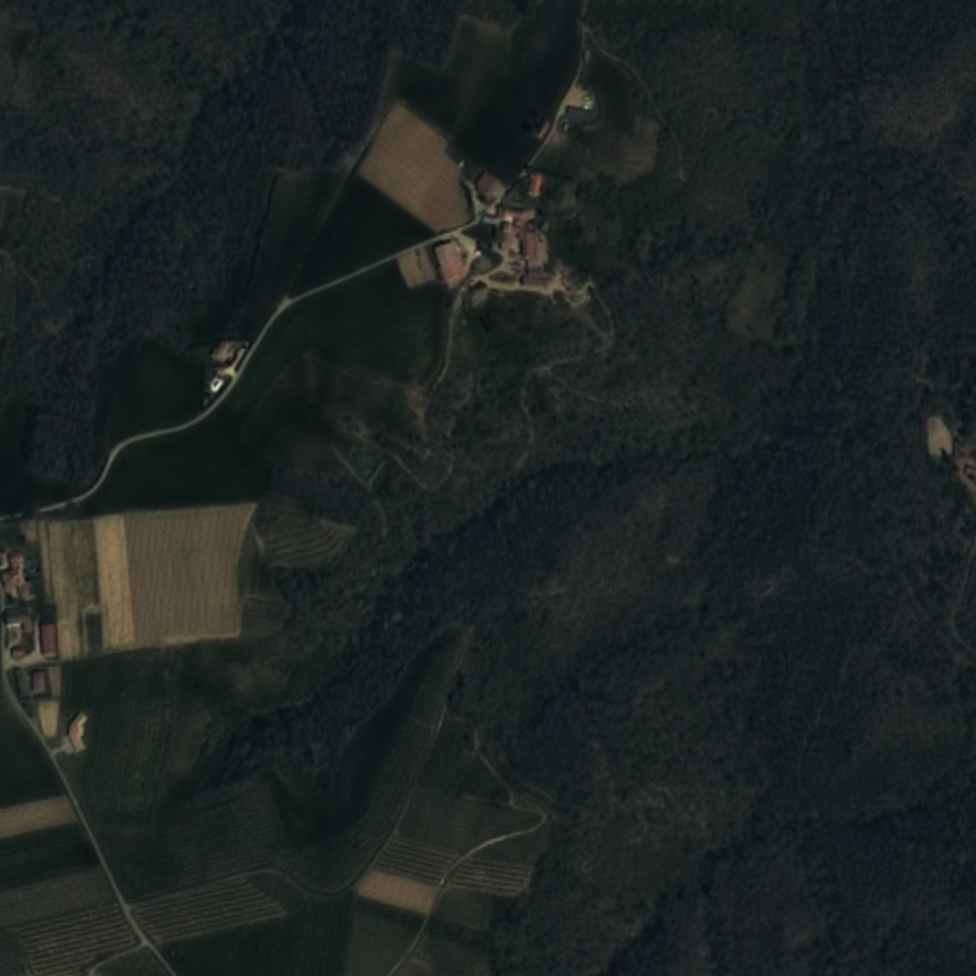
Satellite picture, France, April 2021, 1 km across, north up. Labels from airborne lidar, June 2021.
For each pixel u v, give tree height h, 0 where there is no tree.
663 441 19
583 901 9
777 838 17
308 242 0
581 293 0
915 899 11
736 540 10
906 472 22
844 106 17
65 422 22
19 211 9
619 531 12
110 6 22
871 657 7
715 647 22
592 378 18
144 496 0
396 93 0
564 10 0
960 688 12
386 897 0
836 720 9
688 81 9
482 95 0
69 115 15
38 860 0
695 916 21
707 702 6
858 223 11
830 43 10
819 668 8
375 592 9
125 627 0
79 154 14
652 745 12
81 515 0
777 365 15
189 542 0
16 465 0
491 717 10
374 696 17
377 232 0
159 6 12
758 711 20
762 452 16
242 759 7
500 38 0
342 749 13
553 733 23
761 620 11
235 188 10
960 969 18
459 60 0
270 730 17
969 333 9
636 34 10
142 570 0
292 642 7
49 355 19
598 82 0
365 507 15
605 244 0
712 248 17
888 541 16
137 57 22
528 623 6
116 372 0
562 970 7
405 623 20
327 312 0
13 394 13
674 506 20
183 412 0
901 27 9
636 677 13
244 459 0
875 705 7
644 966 17
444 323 0
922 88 8
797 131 22
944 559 13
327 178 0
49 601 0
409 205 0
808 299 17
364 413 0
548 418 21
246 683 0
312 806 0
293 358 0
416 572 6
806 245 18
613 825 8
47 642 0
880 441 21
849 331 15
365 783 0
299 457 0
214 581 0
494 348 8
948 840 16
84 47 13
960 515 11
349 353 0
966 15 12
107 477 0
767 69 21
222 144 22
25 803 0
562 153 0
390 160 0
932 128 12
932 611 13
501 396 13
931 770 17
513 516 14
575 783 10
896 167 19
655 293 13
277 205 0
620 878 9
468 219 0
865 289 7
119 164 8
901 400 16
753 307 0
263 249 0
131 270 19
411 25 15
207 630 0
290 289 0
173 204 15
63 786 0
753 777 23
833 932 21
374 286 0
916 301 11
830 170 11
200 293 17
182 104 21
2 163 13
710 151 8
